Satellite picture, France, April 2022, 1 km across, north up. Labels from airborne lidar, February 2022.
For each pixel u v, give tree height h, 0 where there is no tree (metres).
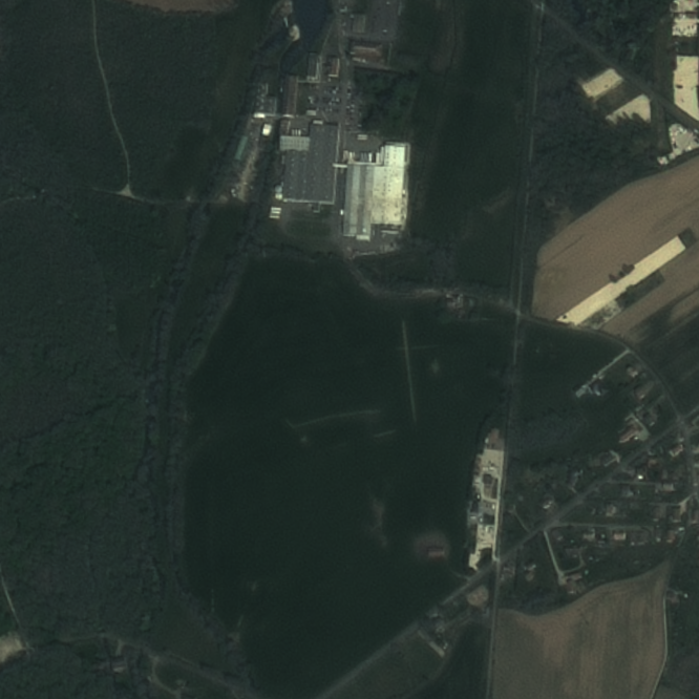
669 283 0
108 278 14
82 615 24
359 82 0
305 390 0
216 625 14
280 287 0
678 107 0
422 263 0
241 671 12
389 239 0
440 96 0
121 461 26
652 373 0
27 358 23
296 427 0
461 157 0
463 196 0
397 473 0
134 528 24
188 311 0
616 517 0
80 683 31
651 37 6
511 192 0
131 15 11
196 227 24
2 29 20
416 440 0
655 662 0
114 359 21
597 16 17
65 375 17
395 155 0
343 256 0
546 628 0
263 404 0
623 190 0
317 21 0
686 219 0
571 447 0
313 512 0
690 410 0
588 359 0
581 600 0
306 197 0
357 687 0
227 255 0
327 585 0
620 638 0
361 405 0
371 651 0
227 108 0
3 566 29
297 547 0
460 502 0
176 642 0
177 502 17
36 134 23
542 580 0
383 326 0
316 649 0
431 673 0
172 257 0
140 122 10
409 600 0
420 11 0
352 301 0
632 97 0
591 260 0
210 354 0
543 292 0
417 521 0
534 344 0
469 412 0
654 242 0
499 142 0
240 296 0
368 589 0
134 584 24
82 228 12
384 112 20
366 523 0
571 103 25
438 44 0
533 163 6
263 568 0
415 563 0
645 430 0
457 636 0
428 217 0
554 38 21
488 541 0
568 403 0
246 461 0
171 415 18
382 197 0
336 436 0
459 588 0
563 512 0
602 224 0
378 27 0
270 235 0
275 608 0
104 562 24
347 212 0
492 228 0
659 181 0
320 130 0
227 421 0
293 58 0
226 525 0
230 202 0
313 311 0
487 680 0
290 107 0
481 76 0
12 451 29
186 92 13
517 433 12
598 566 0
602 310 0
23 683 20
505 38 0
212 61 17
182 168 0
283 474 0
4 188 22
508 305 0
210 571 0
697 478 0
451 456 0
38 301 16
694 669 0
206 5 0
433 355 0
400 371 0
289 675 0
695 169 0
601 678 0
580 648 0
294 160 0
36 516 28
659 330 0
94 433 23
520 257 0
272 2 0
